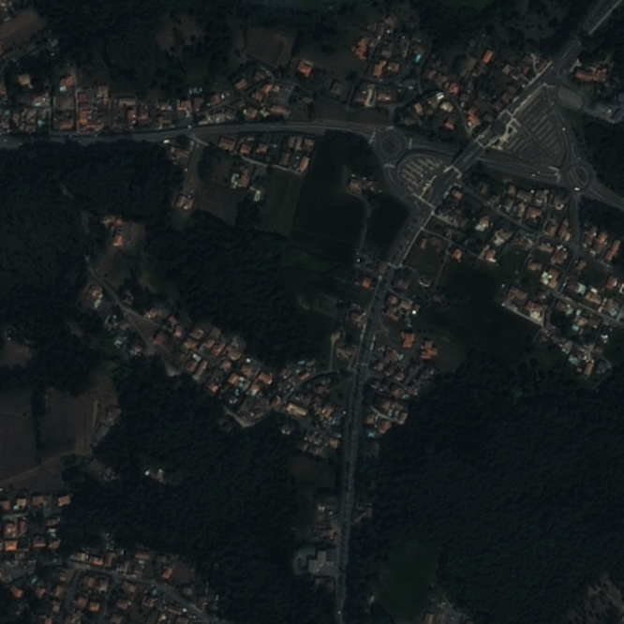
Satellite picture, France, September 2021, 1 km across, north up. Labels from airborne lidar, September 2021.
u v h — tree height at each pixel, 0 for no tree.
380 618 27
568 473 20
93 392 0
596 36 8
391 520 19
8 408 0
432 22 17
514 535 30
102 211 14
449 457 28
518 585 26
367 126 0
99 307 0
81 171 24
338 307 8
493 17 12
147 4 10
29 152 16
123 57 21
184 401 23
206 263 19
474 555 26
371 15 0
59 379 20
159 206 18
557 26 10
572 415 26
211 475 25
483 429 23
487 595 29
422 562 0
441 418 18
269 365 11
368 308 0
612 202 0
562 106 0
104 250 21
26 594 14
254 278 9
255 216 11
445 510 27
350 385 0
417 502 26
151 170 22
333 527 0
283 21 11
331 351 0
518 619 25
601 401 15
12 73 9
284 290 10
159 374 13
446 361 0
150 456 16
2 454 0
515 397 13
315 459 9
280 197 0
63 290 21
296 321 12
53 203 22
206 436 25
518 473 25
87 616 11
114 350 0
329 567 0
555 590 24
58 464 0
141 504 21
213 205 0
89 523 29
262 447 21
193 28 0
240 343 0
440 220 0
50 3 19
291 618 25
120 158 19
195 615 0
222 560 23
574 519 24
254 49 0
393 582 0
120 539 17
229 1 11
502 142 0
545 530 22
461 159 0
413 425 16
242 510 18
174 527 19
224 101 0
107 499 14
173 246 19
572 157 0
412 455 15
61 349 22
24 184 20
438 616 0
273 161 7
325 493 13
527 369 13
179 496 18
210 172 19
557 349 10
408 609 0
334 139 8
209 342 0
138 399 13
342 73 0
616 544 24
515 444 22
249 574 29
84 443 0
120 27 18
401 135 0
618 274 0
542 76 0
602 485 14
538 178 0
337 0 0
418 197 0
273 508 13
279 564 21
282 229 0
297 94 9
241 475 24
